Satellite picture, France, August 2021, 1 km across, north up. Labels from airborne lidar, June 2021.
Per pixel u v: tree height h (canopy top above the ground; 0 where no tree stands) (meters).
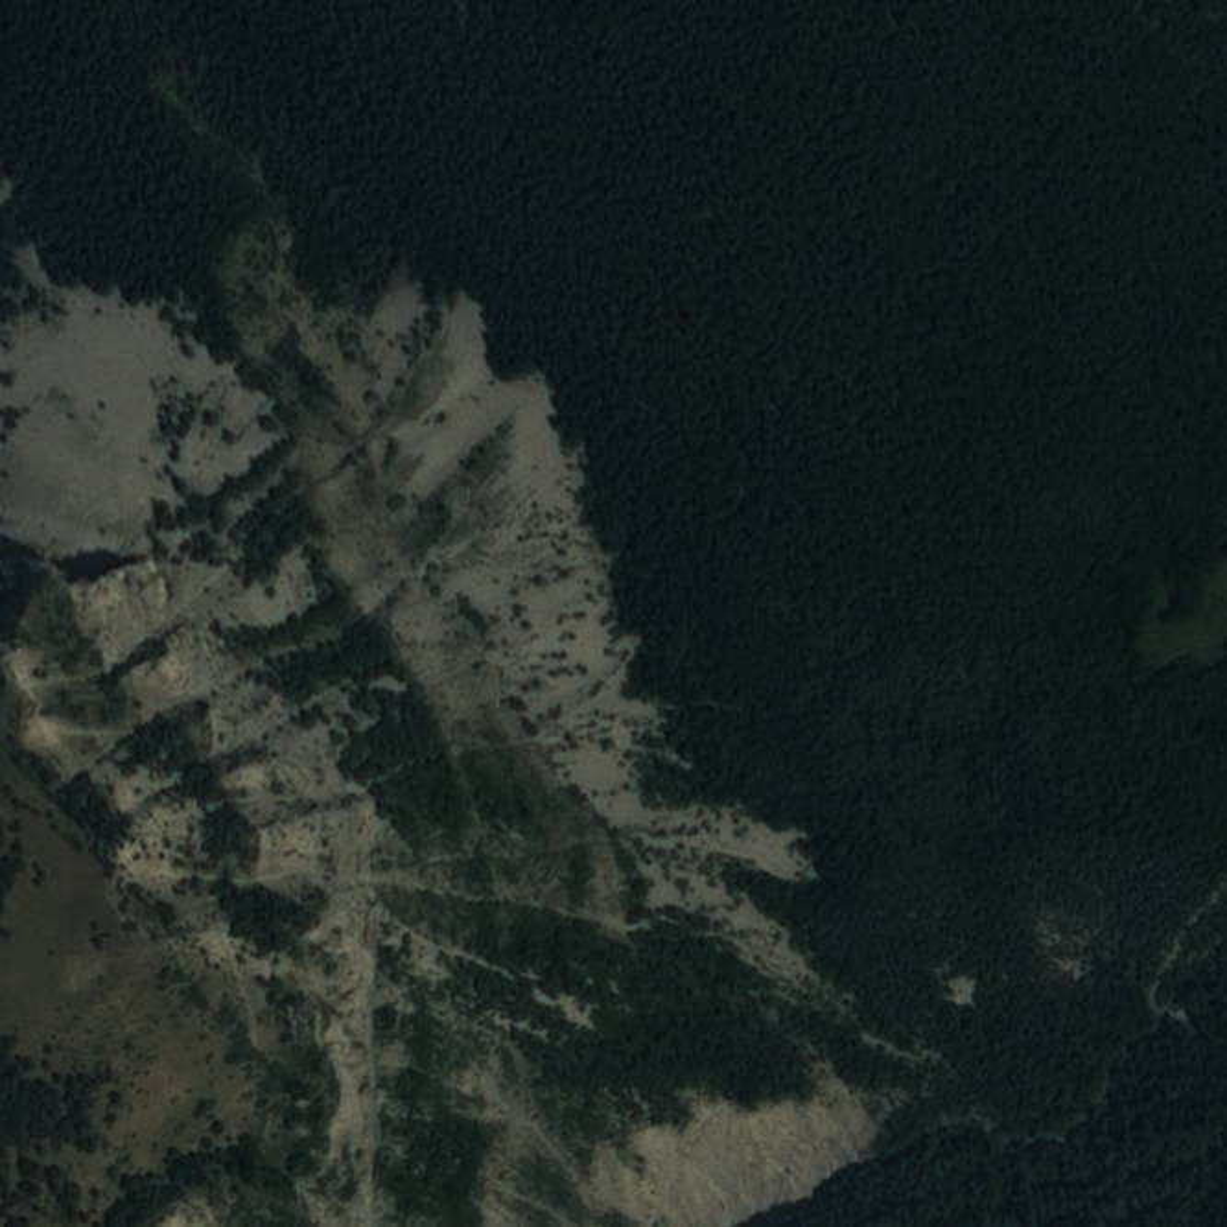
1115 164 16
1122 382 14
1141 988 11
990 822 30
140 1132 0
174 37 17
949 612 18
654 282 18
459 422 0
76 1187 10
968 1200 20
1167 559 9
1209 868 18
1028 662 20
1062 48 22
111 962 0
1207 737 21
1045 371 17
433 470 0
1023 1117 10
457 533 0
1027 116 12
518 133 19
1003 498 14
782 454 18
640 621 12
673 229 19
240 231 9
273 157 13
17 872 12
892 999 16
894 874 13
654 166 21
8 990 0
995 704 22
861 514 17
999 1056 20
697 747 13
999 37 15
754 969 11
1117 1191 25
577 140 22
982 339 19
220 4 20
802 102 19
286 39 28
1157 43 16
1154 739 29
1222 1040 15
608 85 22
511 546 0
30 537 0
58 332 0
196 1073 0
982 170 18
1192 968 10
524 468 0
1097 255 14
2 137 24
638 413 19
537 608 0
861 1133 0
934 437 16
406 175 26
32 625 0
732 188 14
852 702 25
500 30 14
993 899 18
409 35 25
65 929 0
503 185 21
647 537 16
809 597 10
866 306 14
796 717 18
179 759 12
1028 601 14
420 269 11
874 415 22
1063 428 17
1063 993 10
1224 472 22
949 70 17
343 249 13
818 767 17
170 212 16
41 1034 0
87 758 0
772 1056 13
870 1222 17
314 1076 6
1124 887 17
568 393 18
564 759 0
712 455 20
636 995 12
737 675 14
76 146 23
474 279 23
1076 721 19
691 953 21
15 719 0
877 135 12
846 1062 11
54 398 0
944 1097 10
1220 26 17
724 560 21
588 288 18
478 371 0
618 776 0
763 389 21
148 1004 0
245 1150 10
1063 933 9
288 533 14
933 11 12
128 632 0
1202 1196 26
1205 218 14
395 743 13
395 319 0
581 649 0
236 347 7
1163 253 19
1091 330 19
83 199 24
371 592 0
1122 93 19
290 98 22
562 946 14
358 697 12
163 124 17
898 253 16
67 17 16
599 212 21
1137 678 26
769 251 24
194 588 0
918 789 27
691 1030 16
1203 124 24
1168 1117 15
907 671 22
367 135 23
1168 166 17
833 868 16
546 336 16
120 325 0
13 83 19
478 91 22
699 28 21
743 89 10
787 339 17
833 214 17
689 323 26
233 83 17
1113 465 14
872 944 13
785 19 19
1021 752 23
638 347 19
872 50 19
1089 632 24
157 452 0
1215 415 17
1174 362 22
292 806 0
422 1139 11
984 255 16
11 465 0
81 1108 17
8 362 0
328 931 0
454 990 9
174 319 6
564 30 20
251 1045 0
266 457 10
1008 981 9
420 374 0
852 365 18
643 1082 19
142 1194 21
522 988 15
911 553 18
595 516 10
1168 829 13
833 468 15
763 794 14
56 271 17
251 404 0
